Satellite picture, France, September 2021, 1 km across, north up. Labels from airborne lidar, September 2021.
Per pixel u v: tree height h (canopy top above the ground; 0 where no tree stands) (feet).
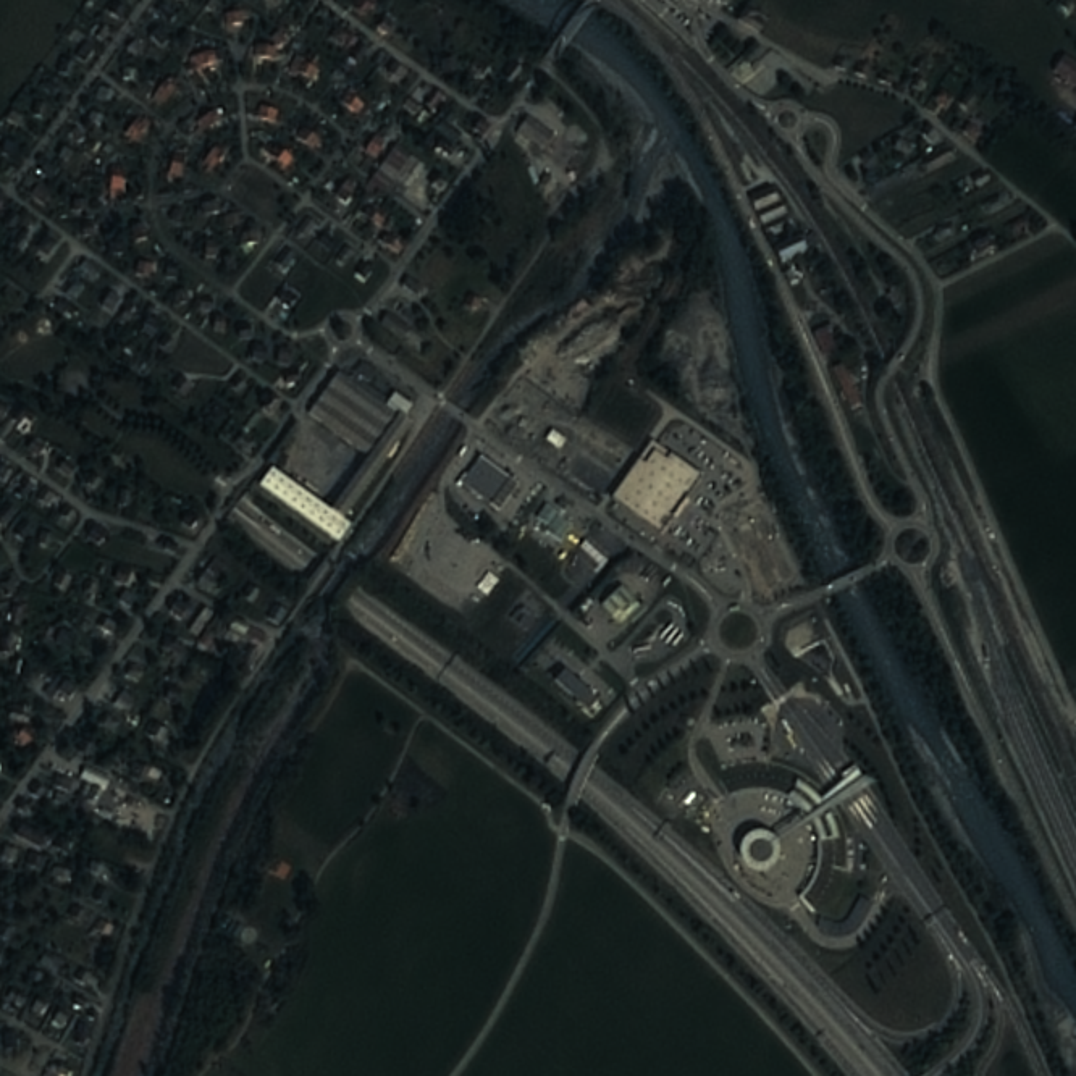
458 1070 0
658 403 0
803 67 0
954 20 0
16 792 0
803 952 0
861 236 0
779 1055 0
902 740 51
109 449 19
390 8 26
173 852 29
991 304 0
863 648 32
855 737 0
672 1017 0
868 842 0
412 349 0
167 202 0
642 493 0
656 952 0
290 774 46
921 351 0
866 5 0
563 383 0
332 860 0
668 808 0
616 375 20
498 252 0
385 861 0
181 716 42
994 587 0
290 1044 0
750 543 0
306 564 0
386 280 0
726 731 0
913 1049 21
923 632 41
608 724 0
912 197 0
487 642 0
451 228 43
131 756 24
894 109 0
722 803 0
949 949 0
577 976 0
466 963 0
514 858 0
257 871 48
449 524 0
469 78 22
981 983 0
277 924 0
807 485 0
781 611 0
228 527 29
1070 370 0
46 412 31
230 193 0
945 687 38
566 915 0
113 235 33
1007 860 0
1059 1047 37
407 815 0
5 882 63
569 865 0
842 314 29
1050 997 0
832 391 0
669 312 39
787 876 0
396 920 0
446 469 0
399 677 22
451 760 0
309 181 19
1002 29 0
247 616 0
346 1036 0
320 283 0
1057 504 0
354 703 0
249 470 0
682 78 0
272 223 0
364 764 0
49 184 25
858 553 33
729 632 0
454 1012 0
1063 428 0
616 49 0
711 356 0
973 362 0
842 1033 0
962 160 0
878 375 42
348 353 0
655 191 0
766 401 0
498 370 18
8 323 33
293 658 19
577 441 0
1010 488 0
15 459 0
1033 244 0
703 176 0
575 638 0
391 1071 0
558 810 27
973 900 35
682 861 0
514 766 25
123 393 0
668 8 0
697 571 0
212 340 0
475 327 0
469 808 0
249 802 25
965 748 35
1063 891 0
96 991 0
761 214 0
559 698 0
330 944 0
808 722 0
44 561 0
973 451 0
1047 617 0
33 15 0
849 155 0
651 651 0
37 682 0
